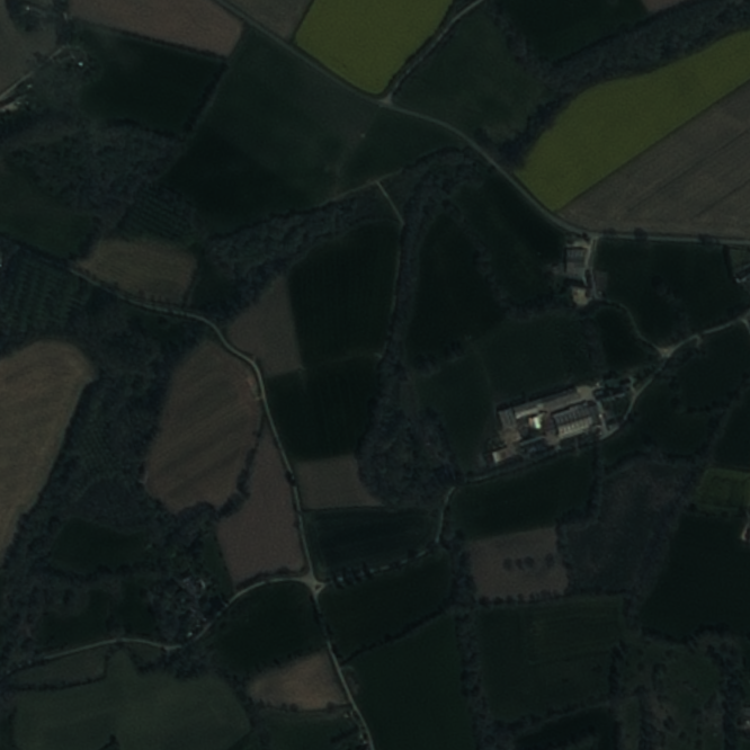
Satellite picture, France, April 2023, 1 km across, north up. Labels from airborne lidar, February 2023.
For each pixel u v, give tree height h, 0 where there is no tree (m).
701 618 0
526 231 0
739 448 0
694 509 11
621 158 0
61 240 0
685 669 0
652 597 0
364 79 0
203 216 0
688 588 0
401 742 0
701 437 0
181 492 0
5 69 0
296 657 10
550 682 0
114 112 0
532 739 0
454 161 8
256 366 0
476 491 0
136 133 13
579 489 0
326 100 0
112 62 0
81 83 8
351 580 13
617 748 16
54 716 0
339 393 0
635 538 9
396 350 14
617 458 0
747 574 0
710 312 0
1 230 0
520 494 0
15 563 20
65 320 10
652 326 0
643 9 0
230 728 0
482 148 23
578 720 0
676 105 0
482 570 0
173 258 0
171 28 0
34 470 0
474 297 0
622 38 12
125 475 18
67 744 0
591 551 9
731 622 0
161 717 0
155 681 0
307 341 0
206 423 0
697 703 0
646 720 15
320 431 0
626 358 0
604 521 9
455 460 15
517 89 0
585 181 0
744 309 10
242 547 0
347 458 0
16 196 0
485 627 0
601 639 0
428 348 0
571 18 0
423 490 23
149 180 12
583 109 0
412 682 0
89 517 12
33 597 8
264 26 0
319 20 0
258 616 0
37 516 10
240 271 11
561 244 0
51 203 0
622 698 15
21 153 6
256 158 0
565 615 0
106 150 8
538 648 0
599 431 7
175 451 0
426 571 0
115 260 0
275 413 0
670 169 0
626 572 8
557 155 0
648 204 0
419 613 0
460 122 0
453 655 0
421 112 0
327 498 0
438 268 0
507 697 0
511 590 0
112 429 16
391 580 0
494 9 7
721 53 0
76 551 0
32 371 0
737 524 0
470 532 0
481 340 0
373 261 0
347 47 0
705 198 0
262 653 0
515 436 0
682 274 0
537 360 0
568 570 17
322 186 0
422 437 0
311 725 0
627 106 0
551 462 8
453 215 13
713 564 0
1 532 0
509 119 0
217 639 0
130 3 0
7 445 0
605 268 0
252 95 0
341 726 0
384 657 0
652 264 0
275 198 0
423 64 12
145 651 0
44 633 0
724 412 11
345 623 0
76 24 7
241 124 0
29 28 11
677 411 9
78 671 0
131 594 0
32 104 9
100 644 0
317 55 0
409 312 14
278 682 0
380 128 0
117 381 11
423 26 0
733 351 0
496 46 0
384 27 0
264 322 0
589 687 0
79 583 16
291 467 0
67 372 0
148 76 0
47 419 0
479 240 7
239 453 0
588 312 11
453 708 0
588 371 0
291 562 0
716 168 0
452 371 0
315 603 12
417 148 0
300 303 0
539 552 0
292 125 0
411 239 14
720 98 0
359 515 0
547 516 0
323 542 0
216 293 0
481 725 9
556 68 11
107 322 37
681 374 0
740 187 0
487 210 0
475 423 0
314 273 0
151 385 14
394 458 17
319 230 14
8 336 12
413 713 0
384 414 6
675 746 0
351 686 0
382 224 0
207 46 0
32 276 25
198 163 0
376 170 0
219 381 0
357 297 0
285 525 0
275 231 12
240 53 0
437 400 0
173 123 0
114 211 27
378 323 0
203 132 0
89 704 0
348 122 0
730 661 12
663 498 9
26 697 0
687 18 14
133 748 0
